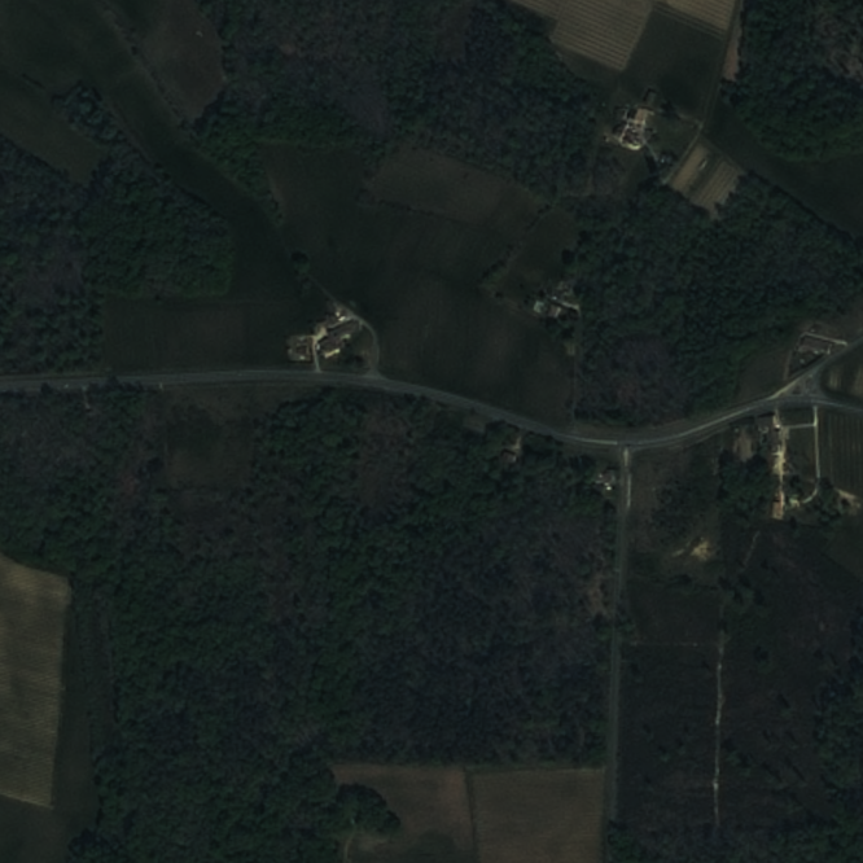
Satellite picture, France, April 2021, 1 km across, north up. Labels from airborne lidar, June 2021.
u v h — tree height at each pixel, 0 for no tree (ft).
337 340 0
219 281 52
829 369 0
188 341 0
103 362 39
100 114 61
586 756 43
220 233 56
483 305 0
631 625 61
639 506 0
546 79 36
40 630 0
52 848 0
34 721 0
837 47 40
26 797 0
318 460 57
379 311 0
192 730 89
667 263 67
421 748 37
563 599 55
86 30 0
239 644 73
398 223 0
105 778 57
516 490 77
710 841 62
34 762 0
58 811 0
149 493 43
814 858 65
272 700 46
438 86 66
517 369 0
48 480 46
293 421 58
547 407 0
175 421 0
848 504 33
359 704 66
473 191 0
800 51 48
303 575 73
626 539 0
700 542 0
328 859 69
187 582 55
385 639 58
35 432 51
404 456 38
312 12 30
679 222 55
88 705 20
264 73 55
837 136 56
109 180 73
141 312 0
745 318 57
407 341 0
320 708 79
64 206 39
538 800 0
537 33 33
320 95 70
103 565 80
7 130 0
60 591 0
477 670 46
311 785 84
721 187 0
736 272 30
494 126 54
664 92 0
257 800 64
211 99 0
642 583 0
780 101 71
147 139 0
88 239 60
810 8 77
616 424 40
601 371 22
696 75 0
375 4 32
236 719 70
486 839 0
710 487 0
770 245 37
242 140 55
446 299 0
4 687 0
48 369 44
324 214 0
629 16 0
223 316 0
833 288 44
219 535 20
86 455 45
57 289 29
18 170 42
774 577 74
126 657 57
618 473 23
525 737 46
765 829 26
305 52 23
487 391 0
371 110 52
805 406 0
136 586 58
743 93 44
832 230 29
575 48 0
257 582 33
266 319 0
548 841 0
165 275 70
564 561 38
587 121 84
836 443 0
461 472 60
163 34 0
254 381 0
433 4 51
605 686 50
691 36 0
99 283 57
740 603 80
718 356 62
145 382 0
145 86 0
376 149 36
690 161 0
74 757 0
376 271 0
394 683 82
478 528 67
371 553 58
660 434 0
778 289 43
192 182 0
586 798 0
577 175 63
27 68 0
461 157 21
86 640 40
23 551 71
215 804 69
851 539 0
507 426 32
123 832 64
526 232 28
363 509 53
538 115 58
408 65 42
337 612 77
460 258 0
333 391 35
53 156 0
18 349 42
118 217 63
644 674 59
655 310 29
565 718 62
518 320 0
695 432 0
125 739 52
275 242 0
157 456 54
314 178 0
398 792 0
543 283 0
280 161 0
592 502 62
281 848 77
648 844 41
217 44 0
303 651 65
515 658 87
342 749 57
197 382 0
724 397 54
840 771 67
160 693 53
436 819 0
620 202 51
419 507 55
